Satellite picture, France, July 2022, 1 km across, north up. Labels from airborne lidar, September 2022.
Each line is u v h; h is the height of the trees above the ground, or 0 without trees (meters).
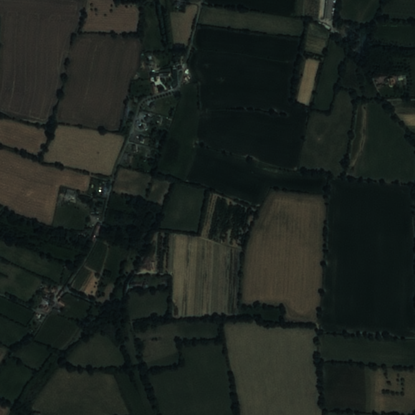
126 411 0
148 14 0
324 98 0
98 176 6
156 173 19
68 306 0
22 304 6
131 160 0
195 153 0
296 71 13
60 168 16
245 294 0
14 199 0
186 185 7
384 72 15
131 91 11
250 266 0
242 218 7
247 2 0
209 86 0
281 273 0
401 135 0
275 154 0
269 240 0
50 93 0
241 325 0
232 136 0
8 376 0
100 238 7
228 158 0
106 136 0
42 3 0
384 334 15
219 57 0
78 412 0
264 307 14
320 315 12
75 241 9
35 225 19
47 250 0
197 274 0
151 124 6
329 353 0
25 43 0
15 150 7
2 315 8
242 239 8
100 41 0
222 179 0
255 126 0
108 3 0
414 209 12
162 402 0
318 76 7
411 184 12
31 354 0
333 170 0
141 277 9
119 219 26
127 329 0
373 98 6
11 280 0
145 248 10
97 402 0
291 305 0
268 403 0
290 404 0
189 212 0
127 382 0
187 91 0
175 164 0
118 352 0
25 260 0
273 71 0
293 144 0
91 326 24
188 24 0
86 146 0
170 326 0
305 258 0
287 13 0
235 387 13
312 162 0
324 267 14
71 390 0
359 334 15
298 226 0
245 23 0
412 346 0
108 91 0
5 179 0
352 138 6
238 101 0
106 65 0
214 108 0
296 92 10
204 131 0
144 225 11
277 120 0
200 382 0
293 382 0
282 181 0
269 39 0
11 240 18
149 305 0
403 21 11
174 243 0
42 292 7
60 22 0
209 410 0
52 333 0
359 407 0
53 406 0
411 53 14
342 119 0
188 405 0
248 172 0
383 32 0
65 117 0
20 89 0
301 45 11
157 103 0
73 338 0
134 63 0
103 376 0
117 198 0
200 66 0
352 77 0
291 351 0
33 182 0
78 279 0
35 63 0
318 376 13
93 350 0
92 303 9
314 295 0
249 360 0
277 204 0
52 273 0
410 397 0
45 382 0
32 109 0
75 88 0
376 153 0
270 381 0
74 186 0
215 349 0
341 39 12
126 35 15
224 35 0
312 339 0
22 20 0
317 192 0
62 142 0
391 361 0
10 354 13
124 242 10
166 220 0
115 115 0
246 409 0
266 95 0
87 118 0
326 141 0
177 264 0
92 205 8
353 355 0
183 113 0
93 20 0
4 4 0
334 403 0
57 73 0
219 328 6
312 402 0
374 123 0
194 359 0
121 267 10
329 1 0
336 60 0
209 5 7
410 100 17
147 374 9
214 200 0
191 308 0
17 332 0
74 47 0
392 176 0
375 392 0
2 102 0
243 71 0
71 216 0
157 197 0
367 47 18
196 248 0
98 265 0
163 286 9
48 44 0
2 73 0
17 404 19
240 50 0
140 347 12
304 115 0
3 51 0
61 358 8
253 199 0
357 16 0
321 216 0
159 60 0
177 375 0
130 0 13
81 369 15
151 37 0
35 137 0
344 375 0
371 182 13
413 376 0
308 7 0
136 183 0
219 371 0
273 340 0
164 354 0
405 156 0
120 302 16
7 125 0
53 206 0
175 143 0
